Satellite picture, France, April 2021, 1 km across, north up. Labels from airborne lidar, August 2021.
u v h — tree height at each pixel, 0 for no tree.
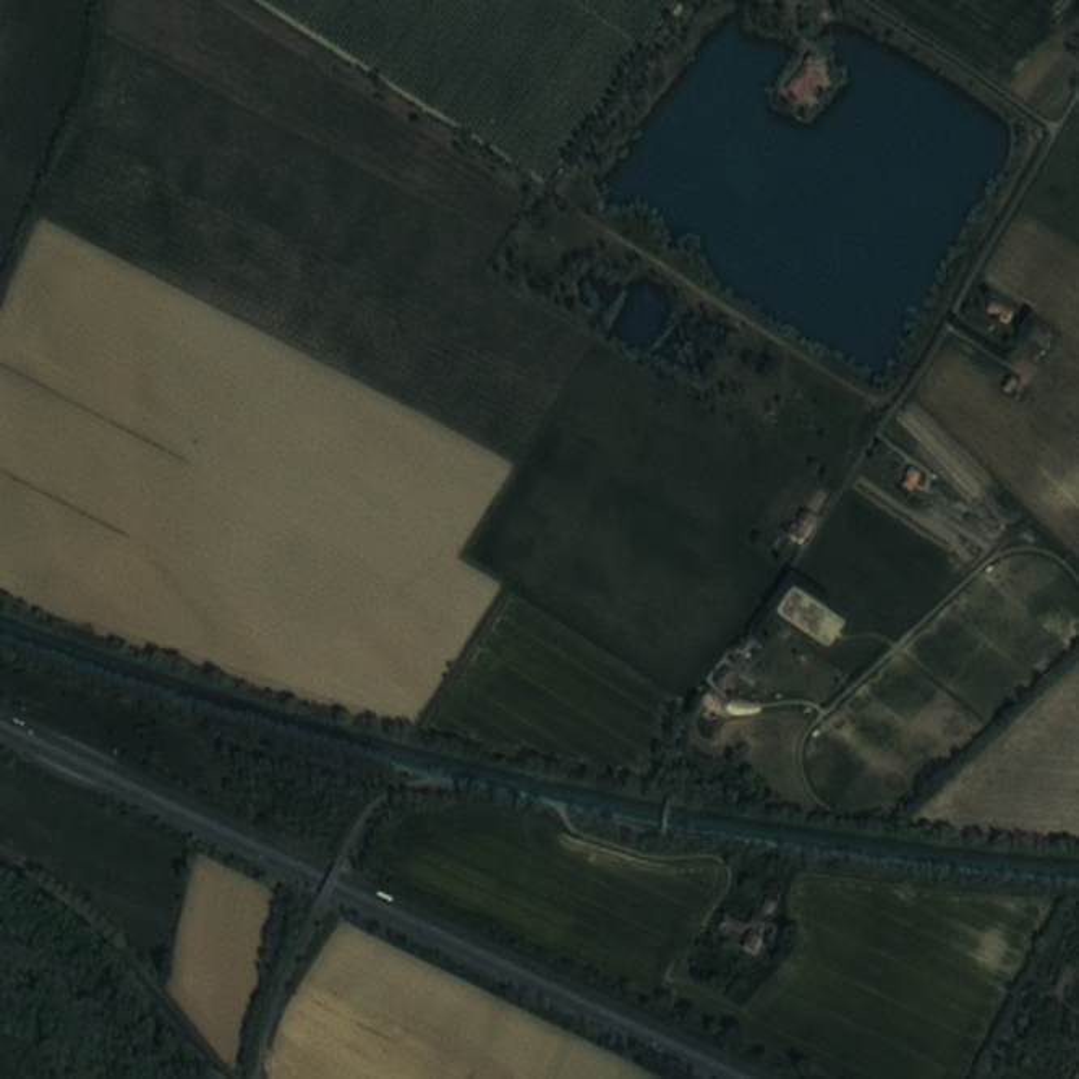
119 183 15
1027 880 11
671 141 0
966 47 0
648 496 0
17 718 0
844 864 16
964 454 0
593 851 0
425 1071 0
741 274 0
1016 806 0
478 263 13
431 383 15
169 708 25
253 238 13
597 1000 0
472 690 0
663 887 0
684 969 0
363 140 0
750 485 0
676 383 9
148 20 0
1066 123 0
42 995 22
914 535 0
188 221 13
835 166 0
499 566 0
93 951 23
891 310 0
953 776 21
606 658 0
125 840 0
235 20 0
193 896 0
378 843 23
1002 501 0
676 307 7
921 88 0
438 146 0
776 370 17
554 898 0
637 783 18
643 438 0
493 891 0
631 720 0
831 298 0
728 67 0
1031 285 0
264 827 10
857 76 0
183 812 0
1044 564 0
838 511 0
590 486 0
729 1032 14
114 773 0
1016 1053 19
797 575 15
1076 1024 18
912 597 0
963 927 0
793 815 13
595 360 0
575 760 0
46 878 21
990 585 0
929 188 0
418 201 14
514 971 0
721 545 0
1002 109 0
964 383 0
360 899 0
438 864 0
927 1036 0
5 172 0
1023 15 0
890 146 0
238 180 9
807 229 0
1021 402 0
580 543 0
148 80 16
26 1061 7
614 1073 0
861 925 0
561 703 0
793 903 0
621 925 0
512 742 0
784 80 14
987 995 0
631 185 0
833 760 0
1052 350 0
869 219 0
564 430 0
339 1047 0
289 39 0
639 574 0
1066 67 0
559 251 0
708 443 0
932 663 0
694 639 0
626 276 9
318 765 30
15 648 22
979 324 0
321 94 0
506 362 15
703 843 12
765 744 0
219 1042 0
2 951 20
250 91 0
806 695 0
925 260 0
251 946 0
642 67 15
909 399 0
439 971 0
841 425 0
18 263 0
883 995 0
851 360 7
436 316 11
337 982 0
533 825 0
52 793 0
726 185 0
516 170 19
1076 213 0
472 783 13
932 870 17
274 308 17
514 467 0
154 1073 22
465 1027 0
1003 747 0
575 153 12
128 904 0
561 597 0
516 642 0
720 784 13
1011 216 0
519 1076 0
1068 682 0
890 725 0
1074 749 0
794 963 0
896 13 0
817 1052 0
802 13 10
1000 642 0
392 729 16
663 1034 0
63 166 11
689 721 16
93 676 24
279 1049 0
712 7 13
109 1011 17
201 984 0
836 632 0
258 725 25
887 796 0
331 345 16
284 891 9
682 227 0
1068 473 0
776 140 0
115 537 0
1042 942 14
